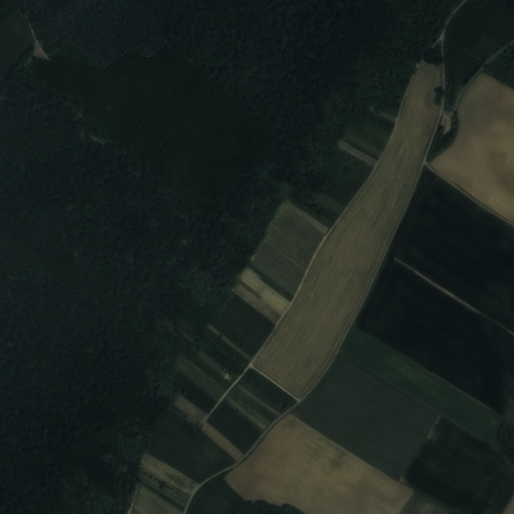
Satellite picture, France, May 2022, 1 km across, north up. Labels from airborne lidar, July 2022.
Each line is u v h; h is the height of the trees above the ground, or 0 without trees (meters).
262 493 0
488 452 0
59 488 27
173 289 27
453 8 19
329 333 0
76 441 32
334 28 31
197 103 8
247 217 28
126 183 21
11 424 24
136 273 29
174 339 20
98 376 29
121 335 28
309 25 30
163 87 10
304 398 0
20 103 23
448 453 0
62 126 22
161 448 0
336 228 0
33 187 17
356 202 0
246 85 24
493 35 0
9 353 28
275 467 0
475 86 0
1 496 23
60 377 29
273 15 25
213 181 9
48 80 8
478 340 0
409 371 0
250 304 0
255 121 12
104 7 21
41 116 25
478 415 0
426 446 0
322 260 0
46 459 30
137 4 16
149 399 26
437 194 0
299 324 0
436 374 0
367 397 0
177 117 8
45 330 28
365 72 10
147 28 19
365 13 29
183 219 10
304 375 0
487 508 18
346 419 0
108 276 24
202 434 0
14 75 17
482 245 0
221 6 16
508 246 0
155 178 6
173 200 27
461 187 0
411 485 0
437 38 10
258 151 8
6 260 19
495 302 0
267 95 27
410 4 18
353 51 27
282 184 27
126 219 25
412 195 0
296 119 31
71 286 23
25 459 27
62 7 16
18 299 27
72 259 23
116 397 29
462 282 0
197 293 24
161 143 6
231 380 0
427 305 0
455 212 0
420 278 0
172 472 0
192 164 9
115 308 25
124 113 9
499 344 0
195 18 18
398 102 12
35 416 27
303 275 0
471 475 0
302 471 0
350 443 0
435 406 0
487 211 0
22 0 15
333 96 26
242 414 0
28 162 16
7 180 20
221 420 0
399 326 0
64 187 19
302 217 0
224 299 20
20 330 26
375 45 26
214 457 0
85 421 30
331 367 0
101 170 22
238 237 23
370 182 0
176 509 0
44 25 14
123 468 29
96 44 19
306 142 18
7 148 14
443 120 0
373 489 0
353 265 0
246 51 26
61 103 23
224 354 8
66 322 27
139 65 7
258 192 29
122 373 27
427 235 0
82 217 22
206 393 0
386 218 0
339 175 0
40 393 30
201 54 20
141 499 0
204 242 24
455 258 0
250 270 0
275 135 10
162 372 21
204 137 11
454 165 0
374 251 0
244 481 0
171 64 8
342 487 0
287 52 32
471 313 0
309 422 0
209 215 10
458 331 0
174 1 18
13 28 0
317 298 0
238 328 0
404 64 22
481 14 0
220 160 8
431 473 0
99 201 20
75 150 18
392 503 0
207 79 7
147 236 24
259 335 0
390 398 0
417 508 0
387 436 0
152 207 19
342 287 0
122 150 19
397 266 0
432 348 0
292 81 31
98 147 26
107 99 7
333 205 0
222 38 22
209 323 6
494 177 0
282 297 0
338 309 0
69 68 8
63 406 30
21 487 27
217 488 0
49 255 24
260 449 0
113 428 20
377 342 0
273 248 0
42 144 19
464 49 0
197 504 0
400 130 0
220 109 9
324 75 30
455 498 0
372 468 0
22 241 18
